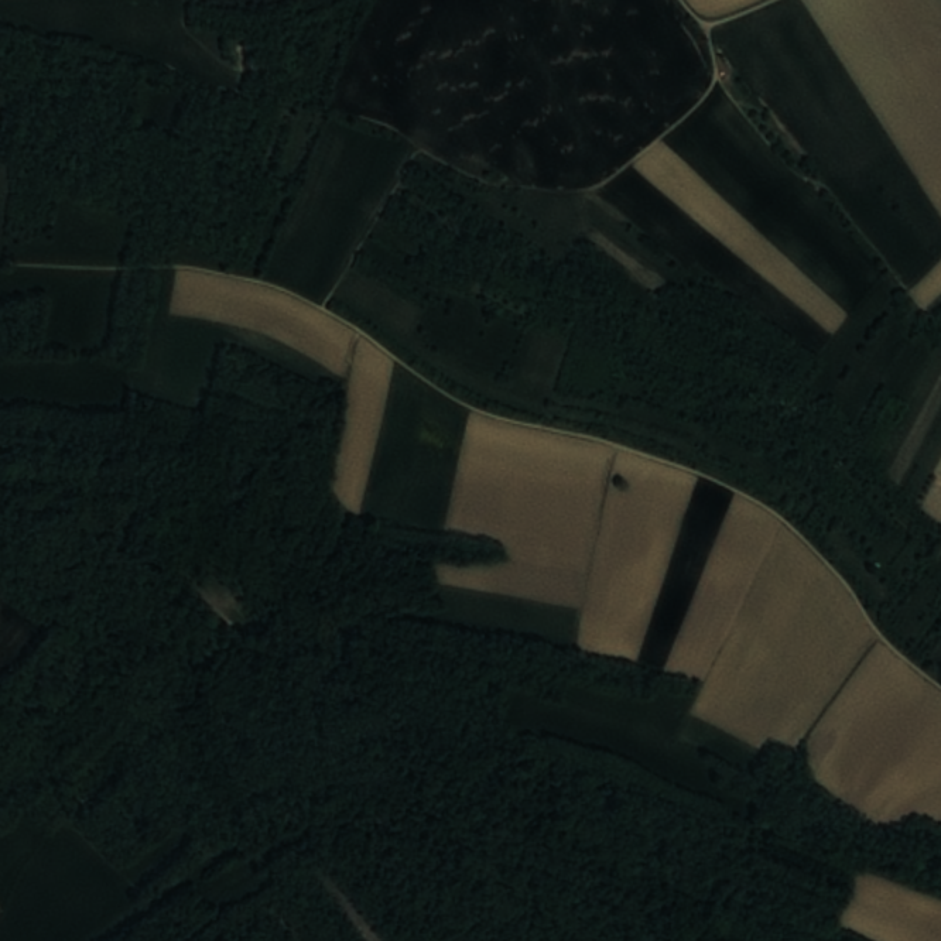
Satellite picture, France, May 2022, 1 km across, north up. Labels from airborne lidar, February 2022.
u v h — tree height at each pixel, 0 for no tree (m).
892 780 0
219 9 10
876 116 0
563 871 21
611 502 0
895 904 0
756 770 16
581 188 0
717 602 0
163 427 6
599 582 0
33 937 0
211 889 0
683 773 0
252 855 19
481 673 21
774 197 0
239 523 21
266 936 9
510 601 0
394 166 0
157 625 23
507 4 0
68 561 11
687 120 0
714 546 0
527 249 12
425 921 8
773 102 0
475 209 11
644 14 0
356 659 20
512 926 13
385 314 0
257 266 10
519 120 0
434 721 20
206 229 17
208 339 0
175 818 18
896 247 0
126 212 15
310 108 7
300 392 19
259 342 0
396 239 0
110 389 0
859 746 0
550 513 0
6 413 21
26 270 0
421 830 8
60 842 0
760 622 0
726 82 0
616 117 0
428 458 0
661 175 0
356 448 0
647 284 0
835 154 0
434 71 0
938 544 9
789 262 0
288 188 15
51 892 0
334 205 0
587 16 0
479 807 18
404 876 8
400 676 22
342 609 17
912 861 23
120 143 19
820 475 7
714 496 0
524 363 0
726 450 0
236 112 17
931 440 0
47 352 19
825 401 8
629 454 0
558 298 11
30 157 10
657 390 8
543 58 0
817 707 0
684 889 18
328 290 0
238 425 16
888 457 0
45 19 0
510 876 20
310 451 19
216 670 25
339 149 0
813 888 14
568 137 0
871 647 0
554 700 14
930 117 0
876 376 0
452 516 0
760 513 0
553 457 0
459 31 0
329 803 20
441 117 0
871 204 0
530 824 15
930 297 0
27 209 6
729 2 0
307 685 19
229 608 25
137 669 25
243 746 21
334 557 26
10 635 0
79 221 0
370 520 13
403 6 0
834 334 0
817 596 0
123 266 13
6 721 17
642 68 0
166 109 0
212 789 11
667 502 0
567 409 7
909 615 0
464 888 14
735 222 0
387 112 0
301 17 13
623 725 0
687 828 23
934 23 0
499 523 0
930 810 0
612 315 12
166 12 0
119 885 0
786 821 22
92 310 0
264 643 24
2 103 0
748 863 16
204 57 0
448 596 0
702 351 11
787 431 9
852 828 20
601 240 0
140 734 24
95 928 0
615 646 0
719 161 0
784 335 13
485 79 0
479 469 0
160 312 0
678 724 0
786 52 0
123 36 0
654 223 0
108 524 0
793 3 0
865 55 0
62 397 0
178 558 9
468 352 0
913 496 0
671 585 0
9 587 17
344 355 0
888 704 0
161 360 0
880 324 9
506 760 11
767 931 23
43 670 17
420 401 0
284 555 19
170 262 11
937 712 0
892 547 0
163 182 17
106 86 18
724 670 0
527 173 0
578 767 13
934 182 0
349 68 0
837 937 7
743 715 0
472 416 0
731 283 0
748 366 18
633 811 25
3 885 0
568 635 0
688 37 0
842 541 0
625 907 20
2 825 22
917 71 0
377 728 19
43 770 12
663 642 0
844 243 0
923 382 0
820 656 0
